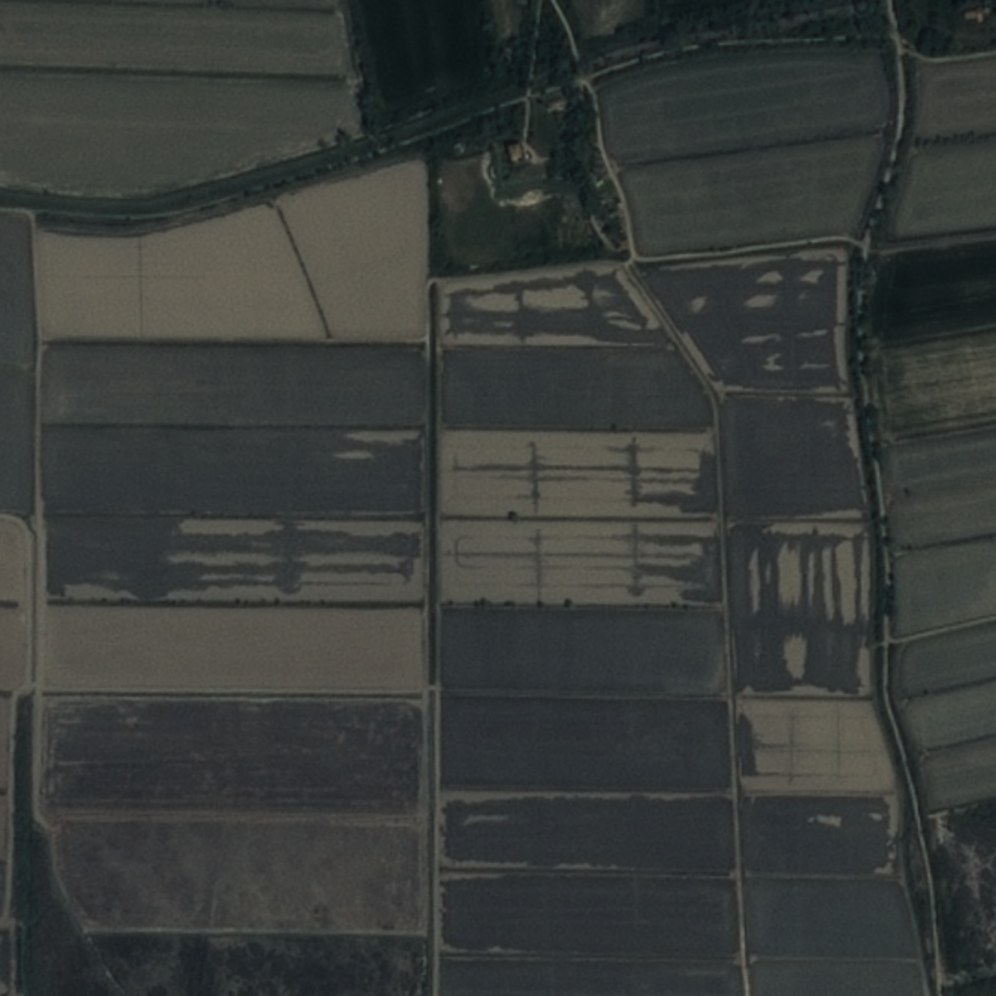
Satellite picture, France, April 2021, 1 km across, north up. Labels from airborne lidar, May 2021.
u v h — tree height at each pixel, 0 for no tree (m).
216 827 0
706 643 0
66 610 0
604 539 0
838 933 0
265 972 0
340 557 0
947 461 0
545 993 0
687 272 0
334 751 0
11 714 0
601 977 0
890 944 0
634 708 0
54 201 0
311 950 0
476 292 0
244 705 0
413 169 0
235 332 0
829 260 0
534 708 0
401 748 0
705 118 0
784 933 0
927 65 0
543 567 0
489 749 0
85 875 0
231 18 0
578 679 0
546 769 0
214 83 0
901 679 0
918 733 0
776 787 0
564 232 0
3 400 0
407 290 0
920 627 0
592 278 0
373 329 0
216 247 0
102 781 0
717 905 0
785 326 0
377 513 0
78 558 0
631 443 0
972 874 0
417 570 0
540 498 0
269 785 0
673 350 0
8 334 0
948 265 0
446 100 9
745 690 0
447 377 0
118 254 0
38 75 0
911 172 0
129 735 0
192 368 0
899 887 0
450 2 0
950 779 0
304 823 0
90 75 0
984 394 0
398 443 0
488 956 0
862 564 0
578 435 0
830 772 0
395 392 0
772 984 0
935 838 0
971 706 0
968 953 0
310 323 0
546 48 11
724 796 0
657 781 0
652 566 0
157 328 0
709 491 0
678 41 24
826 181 0
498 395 0
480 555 0
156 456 0
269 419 0
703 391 0
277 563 0
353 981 0
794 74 0
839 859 0
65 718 0
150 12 0
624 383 0
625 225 0
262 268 0
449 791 0
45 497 0
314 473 0
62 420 0
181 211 0
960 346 0
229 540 0
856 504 0
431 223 8
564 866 0
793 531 0
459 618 0
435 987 0
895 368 0
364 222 0
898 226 0
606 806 0
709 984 0
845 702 0
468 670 0
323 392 0
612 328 0
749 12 12
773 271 0
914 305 0
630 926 0
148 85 0
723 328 0
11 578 0
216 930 0
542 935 0
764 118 0
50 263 0
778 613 0
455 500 0
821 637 0
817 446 0
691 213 0
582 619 0
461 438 0
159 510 0
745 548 0
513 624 0
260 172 0
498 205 0
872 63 0
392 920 0
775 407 0
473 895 0
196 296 0
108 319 0
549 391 0
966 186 0
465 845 0
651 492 0
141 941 0
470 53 0
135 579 0
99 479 0
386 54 0
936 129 0
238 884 0
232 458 0
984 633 0
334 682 0
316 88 0
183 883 0
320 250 0
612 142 0
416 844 0
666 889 0
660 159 0
